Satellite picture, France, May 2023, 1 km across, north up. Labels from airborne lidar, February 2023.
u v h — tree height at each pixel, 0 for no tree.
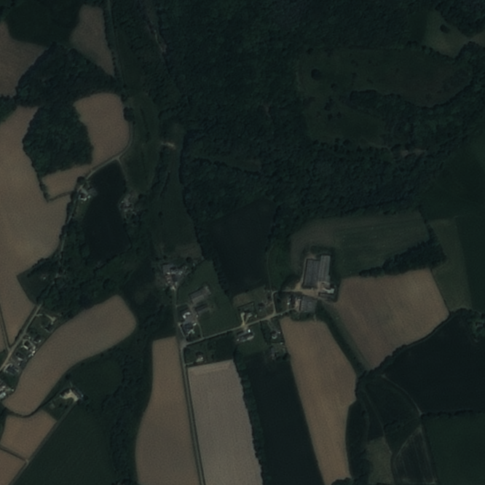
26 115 0
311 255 0
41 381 0
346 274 0
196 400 0
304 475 0
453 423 0
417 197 19
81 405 14
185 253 0
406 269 12
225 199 21
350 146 17
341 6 20
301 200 7
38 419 0
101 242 0
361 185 12
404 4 20
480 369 0
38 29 0
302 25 17
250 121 19
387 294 0
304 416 0
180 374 0
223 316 0
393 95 12
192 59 18
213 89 21
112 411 11
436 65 0
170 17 17
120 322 0
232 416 0
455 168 0
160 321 8
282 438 0
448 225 0
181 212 0
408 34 12
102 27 0
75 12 0
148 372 0
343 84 0
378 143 0
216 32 18
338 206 17
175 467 0
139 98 0
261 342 0
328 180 11
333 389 0
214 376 0
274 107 12
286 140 17
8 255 0
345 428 0
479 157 0
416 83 0
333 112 0
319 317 0
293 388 0
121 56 0
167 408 0
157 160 0
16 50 0
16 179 0
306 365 0
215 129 27
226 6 14
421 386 0
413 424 0
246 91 18
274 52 15
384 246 0
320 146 6
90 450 0
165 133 7
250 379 0
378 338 0
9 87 0
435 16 0
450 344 0
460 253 0
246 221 0
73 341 0
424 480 0
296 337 0
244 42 18
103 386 0
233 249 0
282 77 13
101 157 0
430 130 19
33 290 0
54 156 23
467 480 0
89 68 23
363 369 7
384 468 0
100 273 13
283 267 0
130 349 0
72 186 0
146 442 0
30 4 0
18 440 0
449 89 0
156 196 0
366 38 18
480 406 0
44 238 0
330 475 0
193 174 25
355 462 0
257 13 18
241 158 10
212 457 0
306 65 0
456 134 13
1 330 0
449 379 0
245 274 0
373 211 20
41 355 0
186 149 17
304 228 0
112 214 0
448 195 0
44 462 0
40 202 0
